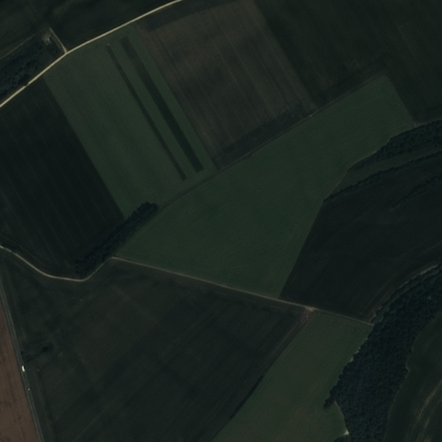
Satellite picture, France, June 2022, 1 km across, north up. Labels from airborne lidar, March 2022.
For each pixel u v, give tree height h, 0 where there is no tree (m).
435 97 0
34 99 0
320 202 0
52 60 0
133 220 16
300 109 0
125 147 0
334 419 0
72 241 0
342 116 0
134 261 0
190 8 0
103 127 0
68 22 0
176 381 0
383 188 0
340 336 0
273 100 0
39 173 0
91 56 0
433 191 0
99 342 0
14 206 0
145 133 0
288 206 0
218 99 0
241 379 0
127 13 0
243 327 0
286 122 0
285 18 0
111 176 0
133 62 0
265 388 0
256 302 0
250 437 0
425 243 0
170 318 0
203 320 0
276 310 0
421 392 0
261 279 0
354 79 0
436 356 0
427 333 0
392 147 8
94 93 0
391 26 0
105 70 0
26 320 0
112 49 0
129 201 0
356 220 0
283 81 0
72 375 0
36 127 0
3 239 0
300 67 0
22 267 0
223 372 0
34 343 0
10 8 0
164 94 0
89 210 0
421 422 0
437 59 0
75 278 0
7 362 0
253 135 0
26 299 0
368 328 0
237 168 0
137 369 0
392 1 0
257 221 0
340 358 0
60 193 0
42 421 0
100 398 0
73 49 0
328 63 0
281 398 0
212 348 0
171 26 0
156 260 0
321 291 0
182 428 0
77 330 0
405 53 0
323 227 0
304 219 0
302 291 0
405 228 0
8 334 0
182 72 0
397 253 0
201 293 0
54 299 0
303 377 0
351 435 9
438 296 18
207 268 0
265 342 0
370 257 0
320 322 0
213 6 0
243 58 0
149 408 0
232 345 0
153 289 0
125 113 0
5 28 0
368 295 0
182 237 0
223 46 0
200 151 0
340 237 0
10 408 0
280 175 0
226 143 0
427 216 0
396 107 0
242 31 0
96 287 0
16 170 0
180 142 0
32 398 0
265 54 0
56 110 0
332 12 0
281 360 0
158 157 0
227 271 0
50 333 0
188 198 0
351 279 0
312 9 0
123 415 0
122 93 0
